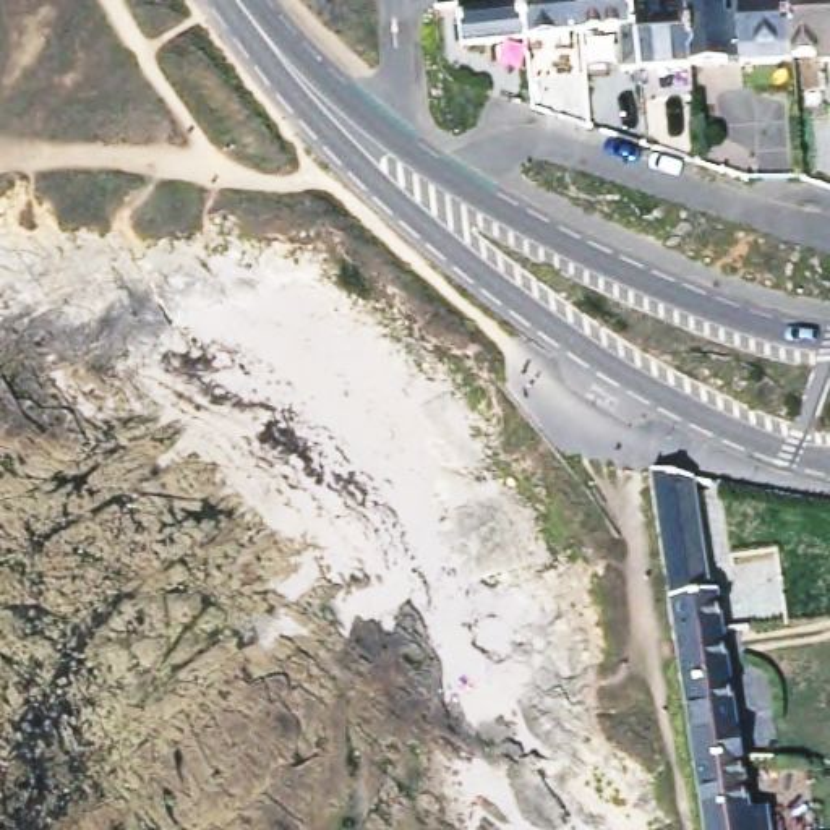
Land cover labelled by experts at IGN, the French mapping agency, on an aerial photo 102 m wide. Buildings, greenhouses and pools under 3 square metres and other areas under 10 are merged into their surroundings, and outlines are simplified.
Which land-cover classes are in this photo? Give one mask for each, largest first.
<instances>
[{"label":"bare soil","instance_id":"1","mask_svg":"<svg viewBox=\"0 0 830 830\"><path fill-rule=\"evenodd\" d=\"M55 10L39 6L32 16L13 19L6 26L13 52L23 45L26 32H39L45 39ZM94 143L188 149L191 139L169 110L162 117H149L139 110L94 113ZM146 175L139 172H0V830H658L665 827V811L655 804L652 775L629 752L616 749L603 736V726L597 720L600 687L597 671L603 658V629L600 610L590 597V580L606 571L603 558L597 548H584L577 564L564 554H548L545 538L535 525V519L548 506L545 477L538 464L551 451L541 441V434L528 425V418L519 412V405L509 399L506 363L503 350L467 314H460L444 295H438L405 259H399L379 237H373L327 191L201 188L195 182L162 178L156 195L133 217L120 204L130 191L143 188ZM746 704L755 713V742L775 739V713L768 674L762 668L742 671Z\"/></svg>","mask_w":830,"mask_h":830},{"label":"impervious surface","instance_id":"2","mask_svg":"<svg viewBox=\"0 0 830 830\"><path fill-rule=\"evenodd\" d=\"M188 13L198 26L208 32L214 49L233 65L243 88L263 104L279 133L295 146L298 162L311 156V162L334 178L353 172L363 182L366 195L379 198L392 211V230L409 246H415L467 302H473L490 321H496L512 340L525 347L522 366L506 363L509 399L519 405V412L528 418V425L541 434V441L551 451H567L580 460L629 464V470L642 473V486L655 483V464H671L700 473L713 554L733 587V629L752 626L755 616L788 610L778 548H729L720 483L729 473L755 483L830 493V302L762 289L739 276H726L713 266L671 253L652 233H639L616 220L587 214L567 204L561 195L538 188L522 169L528 159L574 165L610 182H623L635 191L668 198L678 204H694L697 211H710L726 220L752 224L778 240L830 253V55L817 52L814 45L794 42L791 49H785V55L762 58L742 52H697L681 58L626 62L616 55V19H587L577 26H528L512 39H460V26L467 19L460 0H376L379 62L370 68L331 26L321 23V16L305 0H185ZM438 16L444 23L447 58L454 65H467L493 78L477 126L464 133L441 130L428 110V104L441 97V88L428 84L421 26ZM700 84L707 88L713 113L726 120V139L710 152L694 156L691 91ZM798 94H804L814 133V169L807 175L798 165H791V97ZM535 263H551L558 272L587 285L590 292L626 308L661 318L694 337L717 340L723 347H736L762 360L807 363V386L801 396L798 418H775L768 412H755L729 399L726 392L707 383H694L691 376L678 373L668 357L642 353V347L626 340L623 334L610 331L603 321L590 318L574 305L567 295L554 292L551 285L532 276Z\"/></svg>","mask_w":830,"mask_h":830},{"label":"herbaceous vegetation","instance_id":"3","mask_svg":"<svg viewBox=\"0 0 830 830\"><path fill-rule=\"evenodd\" d=\"M39 6L55 10L45 39L39 58L23 71L16 91L0 107V113L10 120H23L32 110H42L49 143H94V113L139 110L149 117H162L169 110L156 88L146 81L136 55L120 42L117 29L110 26L97 0H0V75L6 71L13 52L6 26L13 19L32 16ZM146 39H152L156 32H162L188 13L185 0H126ZM321 16V23L331 26L370 68L379 62L376 0H305ZM156 58L165 81L201 123L204 136L227 159L263 175H292L298 172V162L295 146L279 133L263 104L243 88L233 65L214 49L208 32L198 26L172 39L165 49H159ZM538 188L561 195L567 204L587 214L616 220L639 233H652L671 253L713 266L726 276H739L762 289L830 302V253L778 240L752 224L726 220L710 211H697L694 204H678L668 198L635 191L623 182H610L574 165L528 159L522 169ZM532 276L551 285L554 292L567 295L574 305L590 292L587 285L558 272L551 263H535ZM629 331L623 334L626 340L642 347V353L668 357L678 373L691 376L694 383H707L726 392L729 399L755 412H768L775 418H798L801 396L807 386V363L762 360L736 347H723L717 340L694 337L661 318L626 308ZM545 477L548 506L535 519V525L545 538L548 554H564L577 564L584 548H597L603 558L606 571L590 580V597L600 610L603 629V658L597 671L613 674L629 658L626 648L632 635V619L626 584L629 548L616 516L606 509V496L593 483H616L619 470H629V464L580 460L567 451H551L538 464ZM729 548H778L788 610L791 619L830 616V493L755 483L729 473L720 483ZM652 606L658 623L668 619V610L665 590L674 584L668 577L655 483L642 486ZM791 713H775V739L778 746L820 749L830 762V642L811 645L804 652V665L788 678ZM665 684L655 691L648 687L645 674H629L616 687H600L597 720L603 726V736L616 749L629 752L652 775L655 804L665 811V827L658 830H704L678 658L661 661ZM811 830H830V778H811Z\"/></svg>","mask_w":830,"mask_h":830},{"label":"building","instance_id":"4","mask_svg":"<svg viewBox=\"0 0 830 830\"><path fill-rule=\"evenodd\" d=\"M467 19L460 26V39H512L528 26H577L587 19H616V55L626 62L681 58L697 52H742L762 58L785 55V49H791L794 42L814 45L817 52L830 55V0H460ZM668 577L674 584L665 590L668 610H674L678 616V658L704 830H788L778 798L762 791L759 785V765L752 762L755 752V713L746 704L742 671L739 642L733 629V587L713 554L700 473L671 464H655V483Z\"/></svg>","mask_w":830,"mask_h":830},{"label":"pervious surface","instance_id":"5","mask_svg":"<svg viewBox=\"0 0 830 830\"><path fill-rule=\"evenodd\" d=\"M110 26L117 29L120 42L136 55L146 81L156 88L169 110L191 139L188 149L94 143H49L42 110H32L23 120H10L0 113V172H139L146 175L143 188L130 191L120 204L133 217L156 195L162 178L195 182L201 188L327 191L373 237H379L399 259H405L438 295H444L460 314H467L503 350L506 363L522 366L525 347L512 340L496 321H490L473 302H467L415 246H409L392 230V211L379 198L366 195L363 182L353 172L334 178L311 162V156L298 162V172L292 175H263L227 159L204 136L201 123L165 81L156 58L159 49H165L172 39L198 26L188 13L162 32H156L152 39H146L126 0H97ZM45 39L39 32H26L23 45L13 52L6 71L0 75V107L16 91L23 71L39 58ZM606 496V509L616 516L629 548L626 584L632 619V635L626 648L629 658L613 674L597 671L600 687H616L629 674H645L648 687L655 691L665 684L661 661L678 658V616L674 610H668V619L658 623L652 606L642 486V473L629 470H619L616 483H593ZM739 642H746V648L775 655L788 678L804 665V652L811 645L830 642V616L791 619L788 610L755 616L752 626L733 629ZM772 752H755L752 762L759 765V785L762 791L778 798L788 830H811V778L804 765H798L794 772H772Z\"/></svg>","mask_w":830,"mask_h":830},{"label":"brushwood","instance_id":"6","mask_svg":"<svg viewBox=\"0 0 830 830\"><path fill-rule=\"evenodd\" d=\"M428 84L441 88V97L428 104V110L441 130L464 133L477 126L493 78L467 65H454L447 58L444 23L438 16L421 26ZM694 156L710 152L726 139V120L713 113L707 88L700 84L691 91ZM791 165H798L807 175L814 169V133L804 94H798L791 97ZM590 318L603 321L610 331L623 334L629 331L626 308L590 292L574 305ZM742 671L762 668L768 674L775 713H791L788 678L775 655L746 648V642H739ZM755 752H772V772H794L798 765H804L811 778H830V762L820 749L778 746L775 739L755 742Z\"/></svg>","mask_w":830,"mask_h":830}]
</instances>
